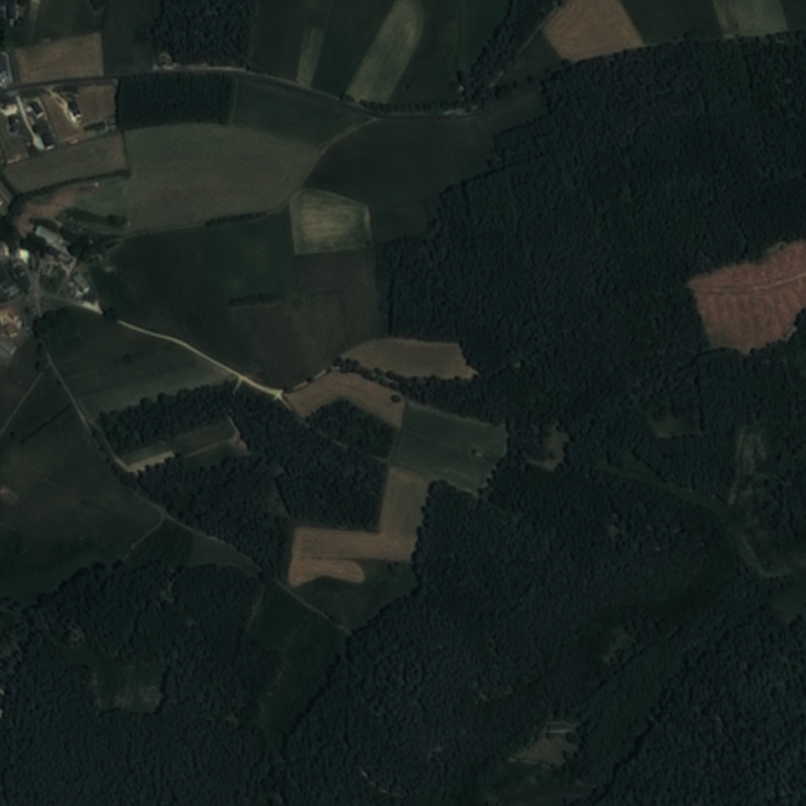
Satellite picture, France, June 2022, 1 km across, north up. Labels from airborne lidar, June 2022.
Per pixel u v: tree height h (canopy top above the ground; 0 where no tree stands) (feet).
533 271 65
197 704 74
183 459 48
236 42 58
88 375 0
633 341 52
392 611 75
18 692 69
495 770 112
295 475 49
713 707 53
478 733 64
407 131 0
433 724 60
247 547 59
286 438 59
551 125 50
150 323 0
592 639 63
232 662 72
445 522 51
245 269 0
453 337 68
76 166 0
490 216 89
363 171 0
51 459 0
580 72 68
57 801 61
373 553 0
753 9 0
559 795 0
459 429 0
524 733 98
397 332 49
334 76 0
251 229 0
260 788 80
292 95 0
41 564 0
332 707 66
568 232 54
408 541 0
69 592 76
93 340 0
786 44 30
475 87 24
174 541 0
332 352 0
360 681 92
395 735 57
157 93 48
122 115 53
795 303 0
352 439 42
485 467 0
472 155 0
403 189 0
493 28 0
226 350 0
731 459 65
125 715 67
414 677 57
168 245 0
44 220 18
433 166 0
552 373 74
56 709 78
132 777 64
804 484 65
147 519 0
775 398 27
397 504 0
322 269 0
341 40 0
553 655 66
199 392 43
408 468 0
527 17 37
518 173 61
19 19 33
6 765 53
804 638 91
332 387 0
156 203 0
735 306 0
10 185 35
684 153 73
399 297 49
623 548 51
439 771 63
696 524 68
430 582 77
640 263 47
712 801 81
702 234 46
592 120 63
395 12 0
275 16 0
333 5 0
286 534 27
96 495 0
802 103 43
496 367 61
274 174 0
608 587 60
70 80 0
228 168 0
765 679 79
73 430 0
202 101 43
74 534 0
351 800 49
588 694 81
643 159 66
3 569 0
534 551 67
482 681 60
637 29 0
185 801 74
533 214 56
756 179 82
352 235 0
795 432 22
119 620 57
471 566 62
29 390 0
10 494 0
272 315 0
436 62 0
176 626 52
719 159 89
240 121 0
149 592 54
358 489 54
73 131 0
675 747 51
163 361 0
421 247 39
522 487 46
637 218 46
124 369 0
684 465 65
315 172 0
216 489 69
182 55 64
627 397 73
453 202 57
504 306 44
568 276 52
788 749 27
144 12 0
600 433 79
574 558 53
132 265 0
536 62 0
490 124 0
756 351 60
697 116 63
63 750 80
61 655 104
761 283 0
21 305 0
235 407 52
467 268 56
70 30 0
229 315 0
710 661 110
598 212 70
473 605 73
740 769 56
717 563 67
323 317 0
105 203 0
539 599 63
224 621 54
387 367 0
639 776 93
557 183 27
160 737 68
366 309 0
